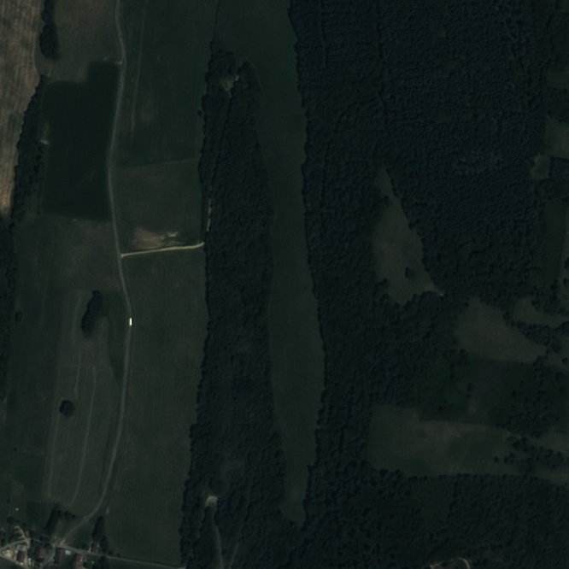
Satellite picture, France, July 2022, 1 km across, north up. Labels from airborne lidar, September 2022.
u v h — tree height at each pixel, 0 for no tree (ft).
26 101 0
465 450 0
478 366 0
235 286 18
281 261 0
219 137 23
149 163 0
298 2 73
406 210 64
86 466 0
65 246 0
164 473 0
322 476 72
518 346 0
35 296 0
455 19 78
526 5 59
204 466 47
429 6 67
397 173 74
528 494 60
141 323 0
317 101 56
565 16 73
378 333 61
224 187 39
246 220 43
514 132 83
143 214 0
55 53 46
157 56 0
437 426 0
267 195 53
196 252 0
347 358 60
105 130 0
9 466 0
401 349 70
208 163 34
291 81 0
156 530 0
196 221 0
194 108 0
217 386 27
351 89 42
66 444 0
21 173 42
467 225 98
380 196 55
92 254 0
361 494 101
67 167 0
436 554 55
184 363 0
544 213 31
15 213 56
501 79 79
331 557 61
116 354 0
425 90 79
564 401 0
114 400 0
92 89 0
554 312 60
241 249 43
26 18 0
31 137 57
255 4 0
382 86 19
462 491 74
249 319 56
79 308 0
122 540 0
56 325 0
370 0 65
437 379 0
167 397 0
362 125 51
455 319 78
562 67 42
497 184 91
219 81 30
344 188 51
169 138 0
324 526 77
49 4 49
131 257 0
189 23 0
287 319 0
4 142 0
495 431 0
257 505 41
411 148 81
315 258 56
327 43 26
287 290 0
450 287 78
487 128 86
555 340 68
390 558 34
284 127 0
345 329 65
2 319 52
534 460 39
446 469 0
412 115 94
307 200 66
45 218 0
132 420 0
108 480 0
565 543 21
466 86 72
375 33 73
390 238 0
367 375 72
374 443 0
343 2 47
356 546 25
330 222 51
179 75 0
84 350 0
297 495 0
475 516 41
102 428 0
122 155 0
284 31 0
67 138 0
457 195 84
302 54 102
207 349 41
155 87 0
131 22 0
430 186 94
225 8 0
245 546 20
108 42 0
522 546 66
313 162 62
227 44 0
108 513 0
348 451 56
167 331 0
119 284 0
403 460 0
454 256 88
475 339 0
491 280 60
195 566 44
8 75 0
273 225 29
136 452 0
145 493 0
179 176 0
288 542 60
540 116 84
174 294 0
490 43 76
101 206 0
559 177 69
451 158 86
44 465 0
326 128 66
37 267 0
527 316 0
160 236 0
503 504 33
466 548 46
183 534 62
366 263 54
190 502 49
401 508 40
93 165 0
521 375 0
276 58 0
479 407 0
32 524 0
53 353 0
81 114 0
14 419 0
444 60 69
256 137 34
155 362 0
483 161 124
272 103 0
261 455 25
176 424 0
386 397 61
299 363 0
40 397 0
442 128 86
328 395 58
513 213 94
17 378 0
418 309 55
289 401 0
